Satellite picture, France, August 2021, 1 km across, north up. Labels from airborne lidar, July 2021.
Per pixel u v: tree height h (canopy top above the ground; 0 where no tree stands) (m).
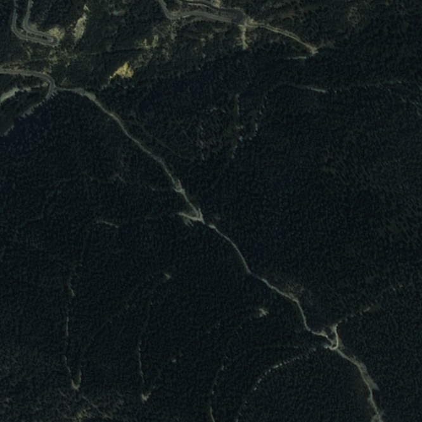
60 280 11
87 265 17
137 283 17
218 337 17
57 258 7
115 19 13
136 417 9
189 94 15
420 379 13
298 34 13
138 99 19
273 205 15
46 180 20
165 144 13
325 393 11
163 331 17
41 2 11
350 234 20
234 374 14
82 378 9
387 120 18
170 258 18
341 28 13
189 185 19
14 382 21
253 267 16
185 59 9
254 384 10
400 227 8
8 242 10
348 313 13
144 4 10
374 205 11
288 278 13
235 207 20
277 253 16
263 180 12
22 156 17
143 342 7
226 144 17
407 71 17
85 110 10
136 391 11
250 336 16
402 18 22
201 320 16
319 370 12
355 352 6
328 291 6
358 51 16
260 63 10
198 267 15
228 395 16
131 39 14
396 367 10
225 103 7
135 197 12
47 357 16
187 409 9
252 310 13
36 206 20
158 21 15
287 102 14
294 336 12
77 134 11
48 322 14
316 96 7
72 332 10
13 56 10
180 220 7
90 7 6
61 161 18
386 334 14
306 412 9
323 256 13
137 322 15
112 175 17
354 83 11
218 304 16
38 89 9
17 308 17
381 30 14
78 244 14
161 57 7
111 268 14
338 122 12
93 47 11
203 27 13
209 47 13
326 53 16
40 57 7
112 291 19
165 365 13
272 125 8
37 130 15
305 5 15
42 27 8
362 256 10
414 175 7
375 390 0
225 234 7
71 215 14
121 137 8
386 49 16
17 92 0
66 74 9
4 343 15
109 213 16
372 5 16
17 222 19
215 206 22
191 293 13
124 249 21
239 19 0
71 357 16
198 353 18
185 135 8
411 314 23
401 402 12
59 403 18
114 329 21
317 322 6
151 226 12
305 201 17
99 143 6
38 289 15
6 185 10
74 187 19
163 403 14
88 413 10
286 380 13
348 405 11
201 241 16
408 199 8
